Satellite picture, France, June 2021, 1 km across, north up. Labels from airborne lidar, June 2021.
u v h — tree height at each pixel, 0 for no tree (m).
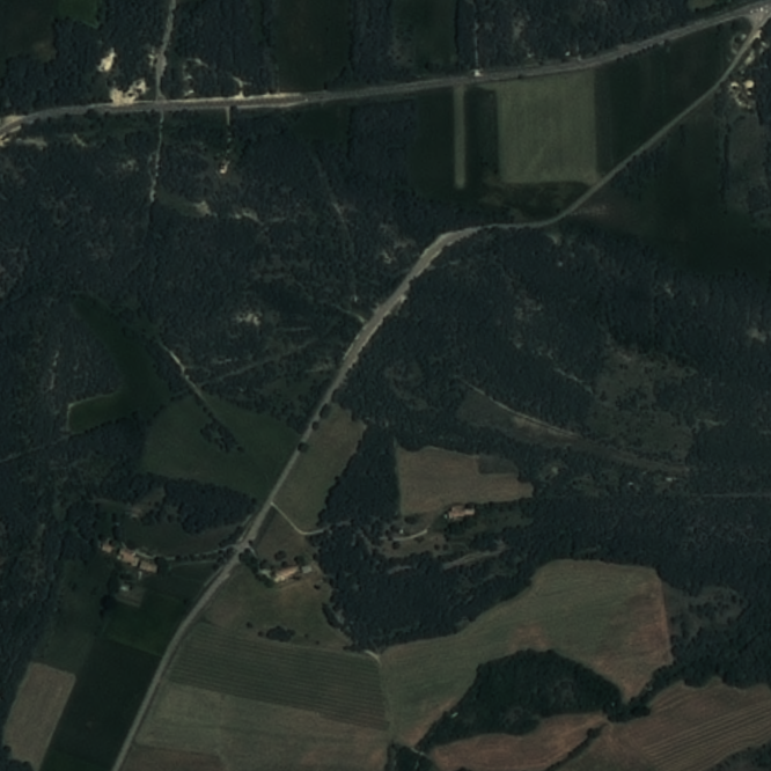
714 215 0
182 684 0
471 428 7
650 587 0
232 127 8
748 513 9
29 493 6
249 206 6
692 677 9
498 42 8
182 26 10
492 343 8
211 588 0
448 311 9
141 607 0
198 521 16
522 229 10
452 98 0
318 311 6
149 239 9
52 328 7
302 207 6
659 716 0
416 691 0
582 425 8
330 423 0
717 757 0
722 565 12
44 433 8
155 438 0
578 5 6
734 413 6
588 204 0
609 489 9
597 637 0
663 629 0
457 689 0
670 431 0
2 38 0
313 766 0
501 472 0
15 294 16
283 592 0
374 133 12
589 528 8
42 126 11
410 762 6
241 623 0
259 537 0
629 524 8
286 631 7
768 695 0
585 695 6
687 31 0
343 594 12
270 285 7
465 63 6
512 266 10
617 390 0
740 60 0
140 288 10
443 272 7
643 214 0
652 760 0
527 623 0
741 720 0
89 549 19
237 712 0
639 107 0
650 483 8
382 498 14
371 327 0
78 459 12
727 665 8
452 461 0
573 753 7
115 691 0
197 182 6
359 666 0
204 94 7
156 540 0
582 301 10
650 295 12
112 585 10
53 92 14
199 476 0
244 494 9
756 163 0
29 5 0
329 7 0
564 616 0
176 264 10
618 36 9
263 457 0
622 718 11
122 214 7
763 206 6
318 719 0
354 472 13
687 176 0
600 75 0
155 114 9
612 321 11
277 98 0
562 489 9
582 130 0
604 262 9
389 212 13
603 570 0
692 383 7
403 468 0
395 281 8
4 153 6
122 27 9
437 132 0
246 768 0
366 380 7
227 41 9
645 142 0
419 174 0
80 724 0
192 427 0
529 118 0
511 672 8
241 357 6
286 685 0
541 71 0
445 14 0
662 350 10
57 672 0
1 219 9
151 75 9
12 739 0
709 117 0
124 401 0
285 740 0
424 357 7
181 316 7
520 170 0
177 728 0
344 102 0
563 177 0
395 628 7
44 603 13
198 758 0
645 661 0
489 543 13
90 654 0
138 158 7
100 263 10
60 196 12
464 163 0
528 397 9
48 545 13
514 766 0
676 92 0
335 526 9
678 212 0
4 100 8
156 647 0
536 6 9
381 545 6
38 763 0
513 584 13
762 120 11
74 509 13
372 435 9
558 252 8
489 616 0
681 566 12
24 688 0
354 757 0
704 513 6
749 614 10
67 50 10
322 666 0
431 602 10
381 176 13
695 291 10
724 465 9
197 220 10
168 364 6
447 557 7
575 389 8
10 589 10
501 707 6
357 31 10
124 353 0
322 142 10
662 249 0
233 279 6
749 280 11
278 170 13
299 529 0
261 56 12
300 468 0
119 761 0
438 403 7
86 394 8
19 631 12
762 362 10
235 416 0
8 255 10
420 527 0
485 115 0
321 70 0
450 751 0
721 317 9
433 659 0
